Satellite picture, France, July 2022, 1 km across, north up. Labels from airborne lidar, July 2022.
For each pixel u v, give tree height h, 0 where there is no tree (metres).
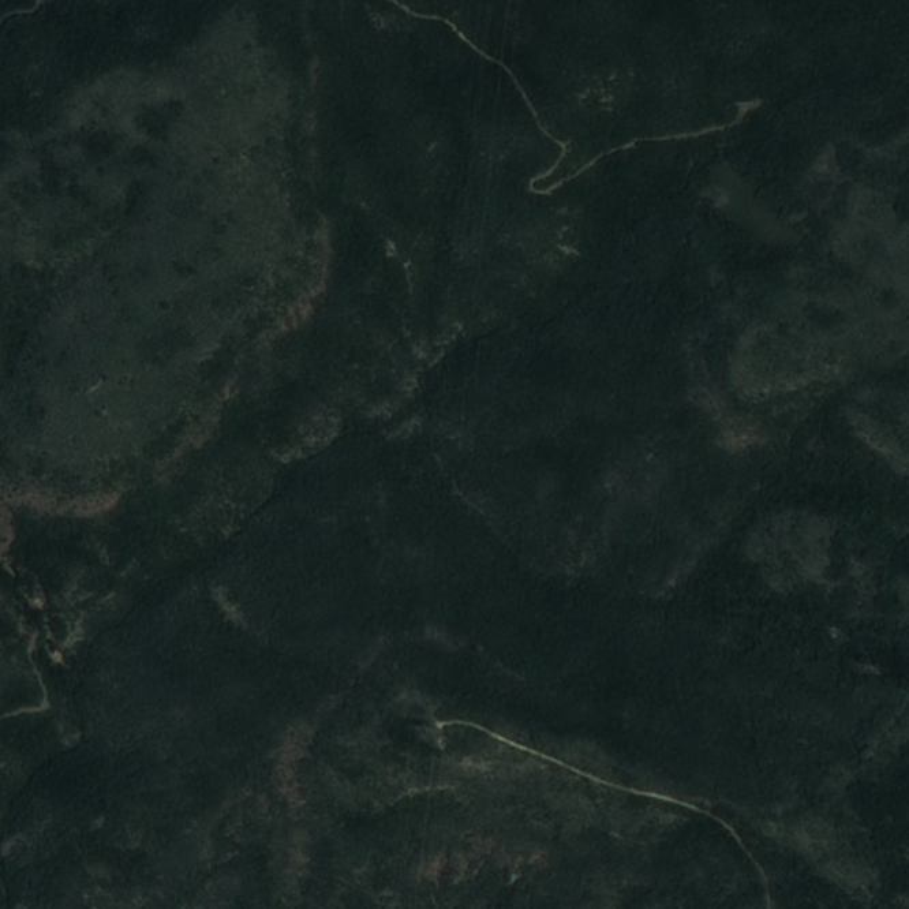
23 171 0
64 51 9
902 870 6
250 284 6
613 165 8
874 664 9
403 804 7
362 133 6
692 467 6
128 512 5
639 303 7
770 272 7
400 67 8
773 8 8
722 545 8
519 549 6
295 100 7
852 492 10
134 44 8
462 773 0
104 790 8
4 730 9
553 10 6
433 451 6
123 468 7
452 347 8
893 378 6
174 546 7
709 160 9
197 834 0
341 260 6
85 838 7
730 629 7
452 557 6
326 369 6
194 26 6
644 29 6
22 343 6
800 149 6
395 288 7
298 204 6
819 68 7
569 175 9
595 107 6
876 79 9
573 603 9
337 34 6
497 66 6
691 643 7
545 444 6
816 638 10
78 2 10
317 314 7
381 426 7
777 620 10
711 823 7
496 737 0
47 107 6
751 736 6
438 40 9
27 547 9
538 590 7
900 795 6
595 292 9
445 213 7
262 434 7
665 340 6
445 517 6
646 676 7
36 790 6
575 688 8
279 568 7
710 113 6
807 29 8
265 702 5
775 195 7
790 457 8
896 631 7
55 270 7
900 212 8
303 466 6
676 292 7
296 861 0
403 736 6
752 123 8
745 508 7
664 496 6
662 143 8
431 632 0
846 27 6
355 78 6
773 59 9
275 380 6
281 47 7
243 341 8
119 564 7
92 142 8
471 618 6
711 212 8
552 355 6
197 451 6
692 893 6
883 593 6
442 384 6
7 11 6
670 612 9
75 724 7
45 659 8
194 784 7
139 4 7
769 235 0
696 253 9
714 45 6
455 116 8
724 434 0
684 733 6
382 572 6
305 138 6
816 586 6
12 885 6
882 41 7
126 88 0
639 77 7
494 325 8
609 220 11
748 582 7
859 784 8
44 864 7
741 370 0
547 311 8
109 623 8
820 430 7
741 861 7
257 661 10
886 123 7
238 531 8
